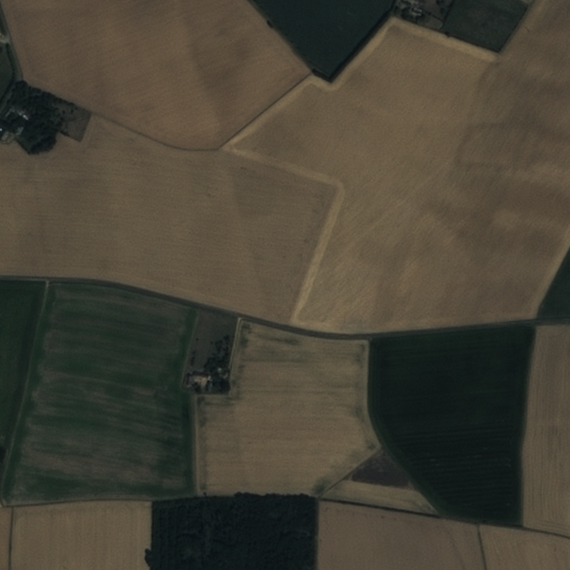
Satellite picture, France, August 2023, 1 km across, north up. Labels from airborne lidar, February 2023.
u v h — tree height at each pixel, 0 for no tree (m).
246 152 0
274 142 0
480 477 0
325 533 0
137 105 0
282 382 0
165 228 0
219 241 0
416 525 0
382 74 0
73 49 0
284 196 0
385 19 10
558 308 0
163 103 0
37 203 0
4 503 0
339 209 0
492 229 0
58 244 0
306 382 0
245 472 0
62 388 0
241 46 0
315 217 0
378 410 0
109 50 0
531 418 0
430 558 0
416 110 0
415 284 0
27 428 0
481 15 0
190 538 17
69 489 0
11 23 0
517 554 0
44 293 0
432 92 0
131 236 0
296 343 0
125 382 0
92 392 0
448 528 0
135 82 0
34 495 0
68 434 0
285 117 0
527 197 0
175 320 0
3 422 0
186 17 0
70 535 0
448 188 0
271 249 0
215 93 0
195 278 0
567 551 0
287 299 0
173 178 0
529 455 0
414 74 0
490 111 0
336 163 0
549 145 0
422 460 0
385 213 0
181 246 0
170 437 0
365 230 0
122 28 0
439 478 0
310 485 0
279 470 0
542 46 0
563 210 0
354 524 0
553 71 0
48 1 0
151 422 0
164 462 0
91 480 0
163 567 7
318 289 0
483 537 0
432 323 0
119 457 0
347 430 0
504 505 0
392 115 0
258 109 0
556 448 0
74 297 0
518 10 0
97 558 0
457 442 0
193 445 0
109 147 0
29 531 0
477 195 0
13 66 8
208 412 0
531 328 0
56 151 0
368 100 0
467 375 0
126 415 0
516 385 0
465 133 0
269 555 16
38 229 0
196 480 0
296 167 0
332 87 0
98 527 0
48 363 0
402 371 0
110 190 0
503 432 0
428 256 0
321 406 0
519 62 0
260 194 0
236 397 0
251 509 11
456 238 0
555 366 0
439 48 0
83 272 0
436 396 0
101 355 0
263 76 0
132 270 0
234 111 0
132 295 0
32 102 8
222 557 13
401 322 0
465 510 0
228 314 0
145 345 0
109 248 0
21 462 0
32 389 0
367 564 0
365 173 0
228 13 0
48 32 0
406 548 0
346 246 0
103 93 0
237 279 0
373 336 0
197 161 0
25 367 0
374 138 0
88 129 0
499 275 0
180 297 0
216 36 0
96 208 0
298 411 0
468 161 0
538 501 0
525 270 0
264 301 0
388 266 0
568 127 0
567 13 0
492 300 0
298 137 0
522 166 0
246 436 0
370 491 0
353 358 0
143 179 0
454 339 0
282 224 0
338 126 0
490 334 0
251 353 0
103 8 0
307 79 0
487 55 0
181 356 0
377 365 0
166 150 0
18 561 0
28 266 0
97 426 0
